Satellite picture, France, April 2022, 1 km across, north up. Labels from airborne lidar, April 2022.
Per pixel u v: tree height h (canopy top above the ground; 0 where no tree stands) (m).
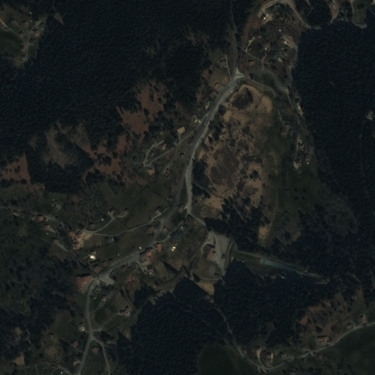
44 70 27
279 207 0
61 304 11
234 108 0
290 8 8
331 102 25
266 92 0
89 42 23
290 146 0
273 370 0
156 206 0
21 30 0
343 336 0
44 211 0
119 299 0
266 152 0
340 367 0
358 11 0
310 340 0
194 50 8
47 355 0
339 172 21
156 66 25
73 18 24
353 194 30
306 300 16
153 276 0
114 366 0
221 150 0
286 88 0
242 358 0
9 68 8
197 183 18
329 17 30
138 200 0
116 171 5
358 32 25
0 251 8
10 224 14
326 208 9
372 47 26
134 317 0
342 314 11
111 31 27
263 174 0
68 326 0
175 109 13
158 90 13
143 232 0
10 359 14
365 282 35
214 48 17
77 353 0
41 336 13
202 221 0
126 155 14
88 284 0
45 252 19
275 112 0
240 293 28
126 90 23
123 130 28
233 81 0
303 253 27
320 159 19
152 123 7
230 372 0
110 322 0
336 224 16
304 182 0
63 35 28
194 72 14
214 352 0
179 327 23
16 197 0
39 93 24
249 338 22
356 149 20
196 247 0
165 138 0
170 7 28
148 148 0
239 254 0
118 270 0
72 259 6
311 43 27
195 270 0
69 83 27
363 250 26
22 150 13
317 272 6
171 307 21
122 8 27
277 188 0
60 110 29
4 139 8
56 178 20
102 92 28
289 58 0
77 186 21
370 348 0
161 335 24
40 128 21
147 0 27
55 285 20
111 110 6
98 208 7
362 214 25
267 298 27
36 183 17
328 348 15
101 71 26
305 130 7
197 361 7
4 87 24
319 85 26
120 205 0
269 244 0
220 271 0
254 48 0
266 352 6
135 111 9
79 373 0
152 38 29
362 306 0
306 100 27
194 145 0
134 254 0
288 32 0
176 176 0
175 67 13
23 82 23
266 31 9
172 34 26
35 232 9
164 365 23
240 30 29
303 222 17
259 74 0
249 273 23
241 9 22
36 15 26
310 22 22
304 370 14
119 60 27
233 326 29
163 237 0
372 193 22
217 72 0
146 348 25
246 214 9
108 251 0
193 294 30
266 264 0
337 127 25
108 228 0
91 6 23
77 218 0
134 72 29
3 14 0
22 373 0
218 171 0
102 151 0
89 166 30
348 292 16
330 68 30
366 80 28
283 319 19
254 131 0
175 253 0
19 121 28
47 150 22
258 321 18
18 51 0
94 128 26
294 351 0
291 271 0
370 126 20
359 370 0
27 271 19
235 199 16
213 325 21
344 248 30
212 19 32
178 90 9
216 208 0
